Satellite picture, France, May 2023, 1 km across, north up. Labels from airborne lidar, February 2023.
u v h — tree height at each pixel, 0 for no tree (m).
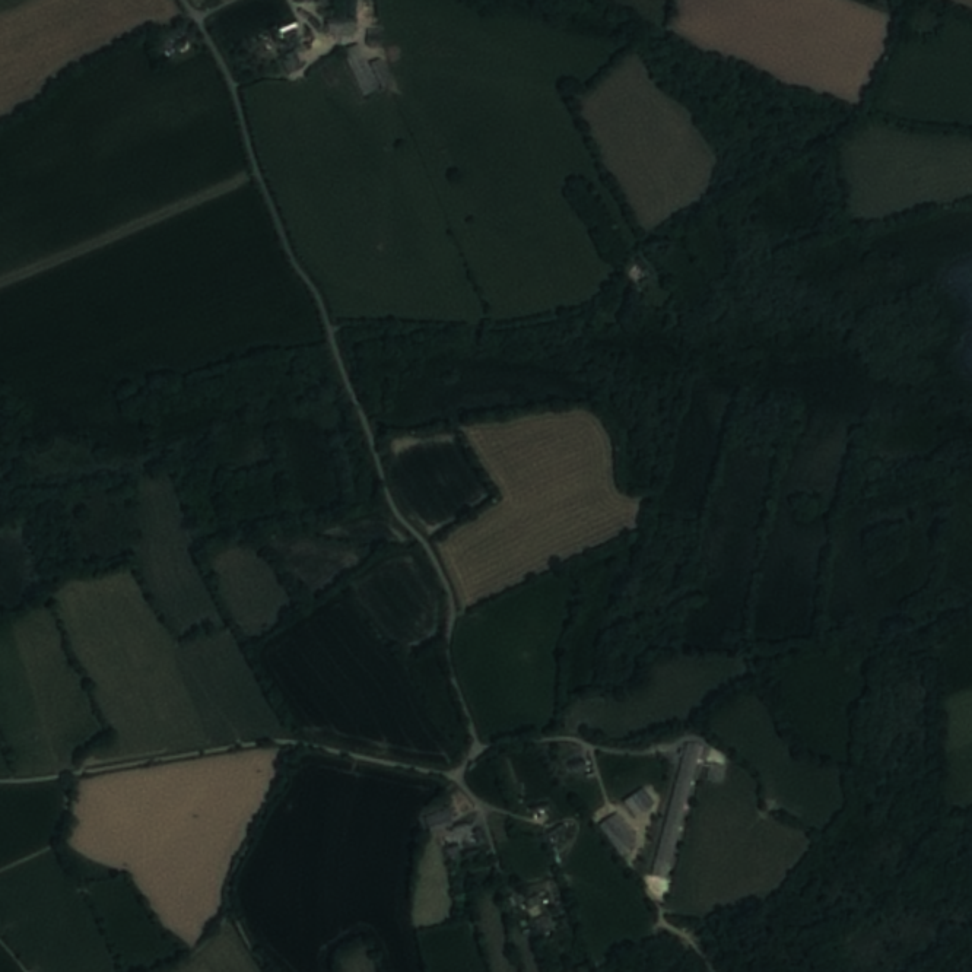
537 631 0
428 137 0
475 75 0
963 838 14
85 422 0
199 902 0
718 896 0
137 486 15
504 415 16
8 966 0
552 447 0
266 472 13
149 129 0
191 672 0
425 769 0
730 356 9
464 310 0
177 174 0
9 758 10
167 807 0
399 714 0
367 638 0
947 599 9
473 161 0
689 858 0
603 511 0
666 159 0
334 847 0
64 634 6
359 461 13
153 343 0
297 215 0
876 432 6
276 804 9
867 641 9
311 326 0
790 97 17
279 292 0
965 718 0
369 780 0
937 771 14
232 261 0
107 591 0
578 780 0
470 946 0
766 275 6
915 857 11
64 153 0
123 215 0
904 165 0
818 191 7
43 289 0
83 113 0
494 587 0
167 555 0
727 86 13
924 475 18
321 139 0
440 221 0
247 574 0
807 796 0
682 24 0
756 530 9
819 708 0
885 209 0
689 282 0
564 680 8
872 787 7
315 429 0
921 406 0
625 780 0
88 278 0
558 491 0
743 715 0
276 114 0
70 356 0
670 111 0
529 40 0
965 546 0
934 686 12
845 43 0
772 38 0
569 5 19
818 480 0
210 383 17
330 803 0
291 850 0
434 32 0
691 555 11
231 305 0
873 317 8
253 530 21
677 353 0
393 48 0
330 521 14
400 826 0
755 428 17
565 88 15
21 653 0
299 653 0
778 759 0
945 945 12
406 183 0
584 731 13
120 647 0
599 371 8
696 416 0
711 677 0
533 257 0
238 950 0
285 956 0
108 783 0
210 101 0
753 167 17
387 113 0
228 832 0
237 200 0
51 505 21
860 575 0
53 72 0
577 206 14
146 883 0
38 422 0
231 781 0
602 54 0
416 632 0
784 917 12
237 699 0
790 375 0
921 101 0
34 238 0
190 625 0
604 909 0
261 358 16
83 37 0
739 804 0
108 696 0
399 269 0
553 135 0
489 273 0
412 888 8
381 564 0
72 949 0
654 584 9
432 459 0
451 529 8
